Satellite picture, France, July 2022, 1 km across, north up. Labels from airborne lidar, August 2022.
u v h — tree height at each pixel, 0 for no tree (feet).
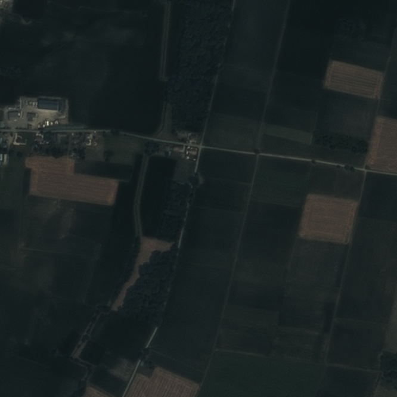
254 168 0
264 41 0
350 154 0
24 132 0
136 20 0
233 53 0
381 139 0
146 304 54
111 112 0
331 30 0
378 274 0
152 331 0
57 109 0
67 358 40
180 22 0
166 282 80
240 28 0
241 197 0
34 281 0
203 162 0
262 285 0
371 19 0
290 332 0
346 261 0
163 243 0
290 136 0
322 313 0
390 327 0
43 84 0
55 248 0
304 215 0
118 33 0
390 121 0
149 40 0
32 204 0
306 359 0
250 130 0
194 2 76
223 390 0
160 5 0
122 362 0
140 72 0
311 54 0
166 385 0
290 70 0
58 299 0
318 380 0
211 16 58
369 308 0
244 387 0
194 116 76
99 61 0
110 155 0
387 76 0
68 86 0
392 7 0
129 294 55
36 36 0
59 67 0
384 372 20
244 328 0
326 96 0
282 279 0
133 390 0
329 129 0
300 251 0
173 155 0
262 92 0
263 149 0
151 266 86
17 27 0
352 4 0
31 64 0
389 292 0
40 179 0
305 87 0
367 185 0
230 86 0
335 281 0
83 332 0
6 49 0
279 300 0
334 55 0
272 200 0
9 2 0
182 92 100
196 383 0
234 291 0
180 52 57
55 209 0
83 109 0
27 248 0
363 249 0
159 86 0
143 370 0
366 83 0
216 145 0
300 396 0
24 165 0
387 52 0
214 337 0
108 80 0
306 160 0
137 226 0
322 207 0
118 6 0
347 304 0
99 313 29
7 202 0
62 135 0
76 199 0
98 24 0
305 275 0
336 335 0
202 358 0
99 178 0
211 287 0
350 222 0
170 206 52
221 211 0
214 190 0
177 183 41
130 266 36
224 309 0
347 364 0
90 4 0
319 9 0
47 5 0
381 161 0
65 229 0
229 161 0
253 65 0
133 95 0
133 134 0
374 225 0
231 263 0
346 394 0
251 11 0
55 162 0
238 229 0
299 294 0
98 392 0
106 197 0
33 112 0
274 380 0
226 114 0
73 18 0
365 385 0
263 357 0
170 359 0
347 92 0
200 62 94
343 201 0
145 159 0
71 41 0
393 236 0
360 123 0
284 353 0
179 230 44
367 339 0
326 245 0
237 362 0
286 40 0
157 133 0
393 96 0
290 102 0
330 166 0
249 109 0
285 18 0
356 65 0
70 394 0
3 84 0
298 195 0
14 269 0
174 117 45
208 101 58
